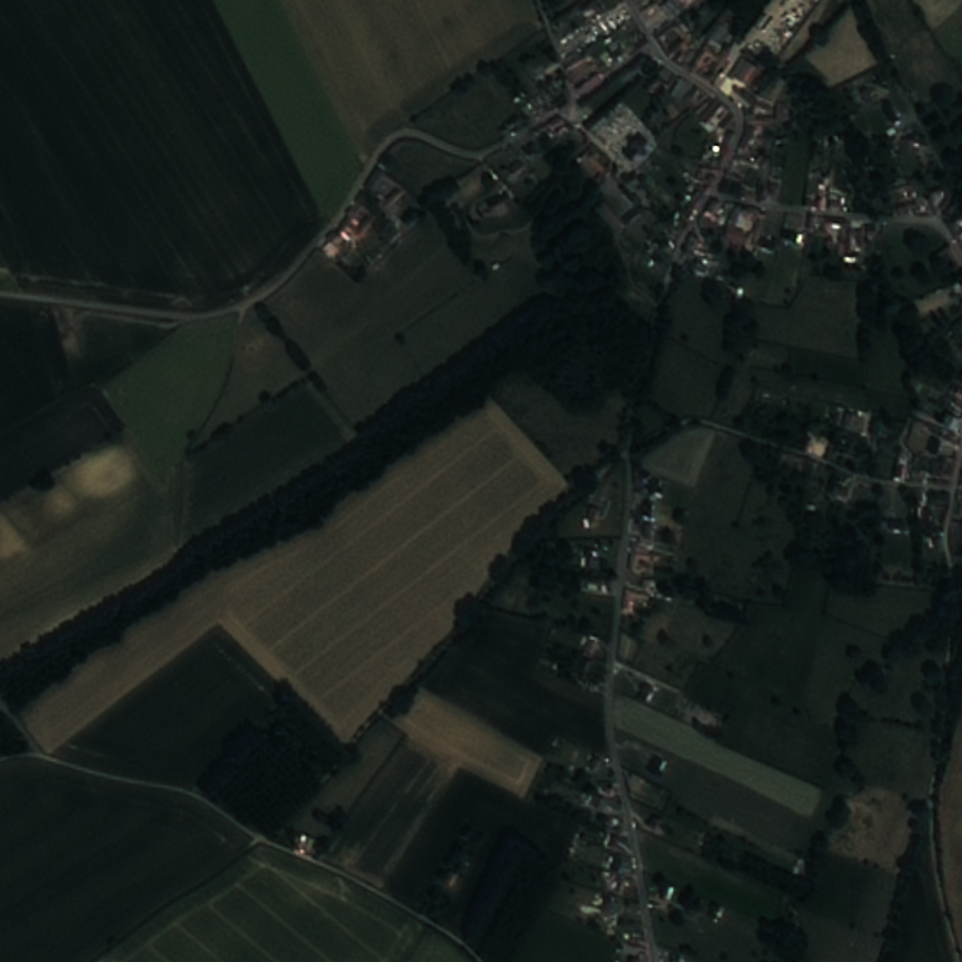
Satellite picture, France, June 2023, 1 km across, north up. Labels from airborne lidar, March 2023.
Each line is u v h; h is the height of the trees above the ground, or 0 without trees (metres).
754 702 0
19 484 0
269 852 0
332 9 0
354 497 0
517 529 0
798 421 8
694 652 0
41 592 0
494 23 0
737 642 0
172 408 0
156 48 0
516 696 0
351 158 0
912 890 0
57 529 0
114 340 0
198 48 0
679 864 0
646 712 0
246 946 0
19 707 10
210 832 0
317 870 0
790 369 9
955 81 0
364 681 0
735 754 0
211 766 0
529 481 0
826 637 0
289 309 0
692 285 0
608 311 23
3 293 0
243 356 0
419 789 0
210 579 0
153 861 0
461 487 0
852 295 0
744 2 0
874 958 0
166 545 0
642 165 0
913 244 19
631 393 16
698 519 0
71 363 0
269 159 0
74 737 0
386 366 0
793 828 0
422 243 0
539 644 0
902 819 0
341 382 0
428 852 0
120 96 0
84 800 0
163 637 0
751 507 0
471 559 0
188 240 0
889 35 0
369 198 6
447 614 0
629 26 0
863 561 35
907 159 0
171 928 0
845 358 0
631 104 0
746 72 0
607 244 13
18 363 0
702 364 0
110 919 0
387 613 0
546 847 0
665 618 0
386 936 0
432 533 0
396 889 0
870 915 0
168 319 0
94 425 0
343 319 0
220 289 0
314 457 0
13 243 0
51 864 0
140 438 0
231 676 0
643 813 0
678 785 0
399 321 0
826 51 0
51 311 0
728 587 0
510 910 31
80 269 0
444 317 0
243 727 0
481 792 0
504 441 0
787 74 6
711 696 0
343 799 0
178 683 0
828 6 0
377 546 0
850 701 19
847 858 0
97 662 0
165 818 0
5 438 0
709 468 0
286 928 0
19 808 0
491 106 0
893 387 0
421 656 0
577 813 8
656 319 8
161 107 0
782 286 0
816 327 0
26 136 0
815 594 0
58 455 0
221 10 0
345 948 0
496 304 0
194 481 0
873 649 0
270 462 0
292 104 0
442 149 0
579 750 0
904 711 0
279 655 0
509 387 0
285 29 0
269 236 0
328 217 0
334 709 0
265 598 0
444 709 0
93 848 0
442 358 0
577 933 0
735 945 0
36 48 0
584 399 17
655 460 0
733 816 0
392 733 0
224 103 0
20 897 0
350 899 0
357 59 0
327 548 0
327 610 0
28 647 9
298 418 0
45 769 0
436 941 0
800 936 13
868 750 0
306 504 16
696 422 8
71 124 0
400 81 0
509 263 0
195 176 0
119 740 0
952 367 12
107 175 0
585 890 0
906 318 15
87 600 0
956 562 0
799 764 0
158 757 0
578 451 0
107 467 0
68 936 0
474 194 0
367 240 0
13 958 0
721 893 0
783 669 0
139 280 0
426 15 0
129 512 0
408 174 0
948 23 0
